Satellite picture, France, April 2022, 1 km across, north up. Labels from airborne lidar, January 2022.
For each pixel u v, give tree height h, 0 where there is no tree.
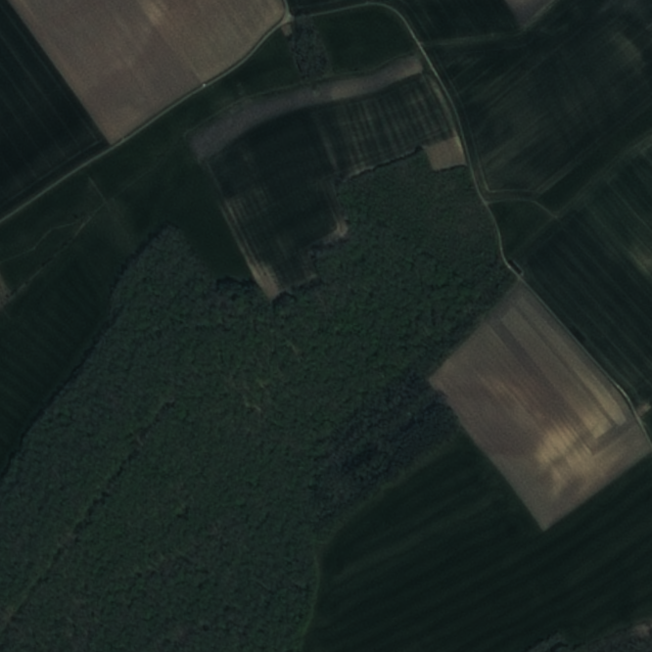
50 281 0
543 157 0
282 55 0
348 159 0
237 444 22
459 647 0
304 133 0
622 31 0
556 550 0
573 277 0
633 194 0
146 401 22
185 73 0
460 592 0
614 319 0
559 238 0
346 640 0
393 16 0
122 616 27
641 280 0
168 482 24
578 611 0
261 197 0
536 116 0
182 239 21
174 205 0
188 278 25
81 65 0
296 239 0
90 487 19
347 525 0
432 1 0
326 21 0
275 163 0
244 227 0
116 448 23
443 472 0
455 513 0
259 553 25
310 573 24
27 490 28
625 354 0
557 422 0
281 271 0
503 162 0
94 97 0
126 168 0
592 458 0
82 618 22
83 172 0
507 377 0
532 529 0
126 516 22
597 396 0
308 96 0
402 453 22
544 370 0
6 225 0
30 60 0
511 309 0
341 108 0
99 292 0
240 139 0
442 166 0
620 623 0
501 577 0
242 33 0
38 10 0
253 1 0
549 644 8
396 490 0
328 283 24
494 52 0
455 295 23
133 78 0
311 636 0
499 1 0
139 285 22
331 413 23
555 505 0
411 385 18
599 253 0
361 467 24
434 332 24
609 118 0
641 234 0
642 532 0
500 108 0
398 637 0
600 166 0
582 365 0
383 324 30
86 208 0
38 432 20
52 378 0
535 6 0
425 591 0
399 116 0
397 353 27
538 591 0
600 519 0
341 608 0
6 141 0
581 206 0
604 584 0
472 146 0
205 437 23
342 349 23
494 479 0
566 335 0
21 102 0
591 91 0
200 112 0
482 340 0
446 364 0
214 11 0
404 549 0
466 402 0
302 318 27
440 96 0
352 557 0
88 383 24
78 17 0
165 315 21
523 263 0
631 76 0
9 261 0
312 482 23
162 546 23
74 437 27
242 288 16
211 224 0
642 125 0
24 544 27
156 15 0
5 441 0
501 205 0
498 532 0
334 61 0
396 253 25
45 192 0
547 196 0
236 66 0
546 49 0
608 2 0
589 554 0
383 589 0
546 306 0
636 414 0
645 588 0
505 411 0
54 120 0
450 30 0
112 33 0
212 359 23
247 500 27
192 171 0
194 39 0
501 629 0
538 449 0
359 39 0
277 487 26
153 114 0
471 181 8
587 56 0
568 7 0
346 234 0
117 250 0
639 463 0
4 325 0
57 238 0
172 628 27
